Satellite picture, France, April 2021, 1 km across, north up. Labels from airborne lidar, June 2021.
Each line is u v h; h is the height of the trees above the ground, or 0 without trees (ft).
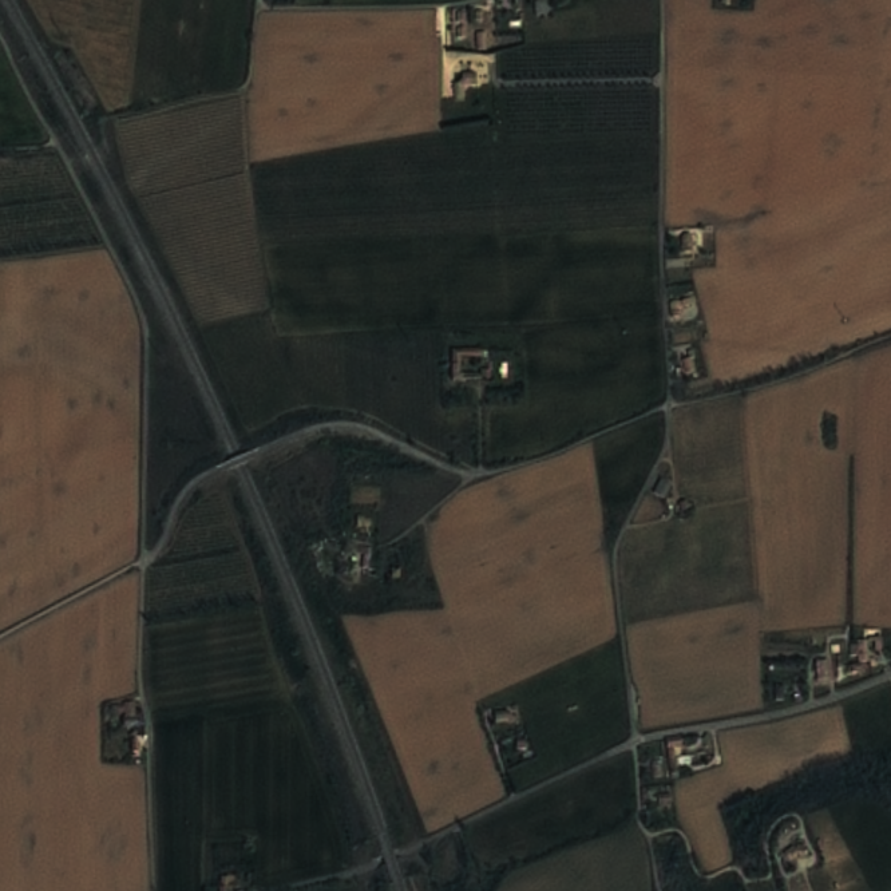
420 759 0
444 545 0
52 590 0
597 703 0
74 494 0
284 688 0
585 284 0
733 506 0
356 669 0
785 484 0
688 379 42
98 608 0
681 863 20
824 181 0
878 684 0
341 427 0
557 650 0
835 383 0
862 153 0
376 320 0
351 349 0
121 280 0
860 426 0
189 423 0
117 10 0
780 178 0
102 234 0
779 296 0
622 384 0
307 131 0
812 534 0
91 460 0
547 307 0
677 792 0
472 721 0
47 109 0
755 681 0
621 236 0
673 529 0
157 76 0
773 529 0
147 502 0
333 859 0
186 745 0
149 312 0
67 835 0
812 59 0
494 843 0
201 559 38
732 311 0
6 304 0
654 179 0
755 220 0
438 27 0
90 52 0
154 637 0
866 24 0
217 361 0
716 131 0
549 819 0
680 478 0
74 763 0
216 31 0
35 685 0
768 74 0
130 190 0
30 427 0
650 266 0
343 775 0
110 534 0
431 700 0
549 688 0
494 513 0
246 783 0
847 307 0
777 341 0
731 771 0
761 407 0
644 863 0
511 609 0
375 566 47
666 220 0
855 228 0
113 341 0
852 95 0
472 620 0
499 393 28
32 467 0
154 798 0
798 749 0
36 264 0
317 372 0
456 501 0
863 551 0
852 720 0
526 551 0
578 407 0
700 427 0
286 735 0
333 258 0
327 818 0
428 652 0
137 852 0
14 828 0
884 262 0
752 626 0
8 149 40
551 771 0
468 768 0
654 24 0
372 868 0
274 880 0
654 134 0
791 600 0
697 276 0
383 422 0
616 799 0
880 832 0
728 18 0
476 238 0
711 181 0
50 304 0
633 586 0
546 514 0
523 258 0
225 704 0
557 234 0
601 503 0
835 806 31
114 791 0
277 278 0
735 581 0
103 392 0
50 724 0
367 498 0
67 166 0
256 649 0
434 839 0
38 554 0
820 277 0
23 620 0
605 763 0
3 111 0
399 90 0
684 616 0
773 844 27
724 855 0
